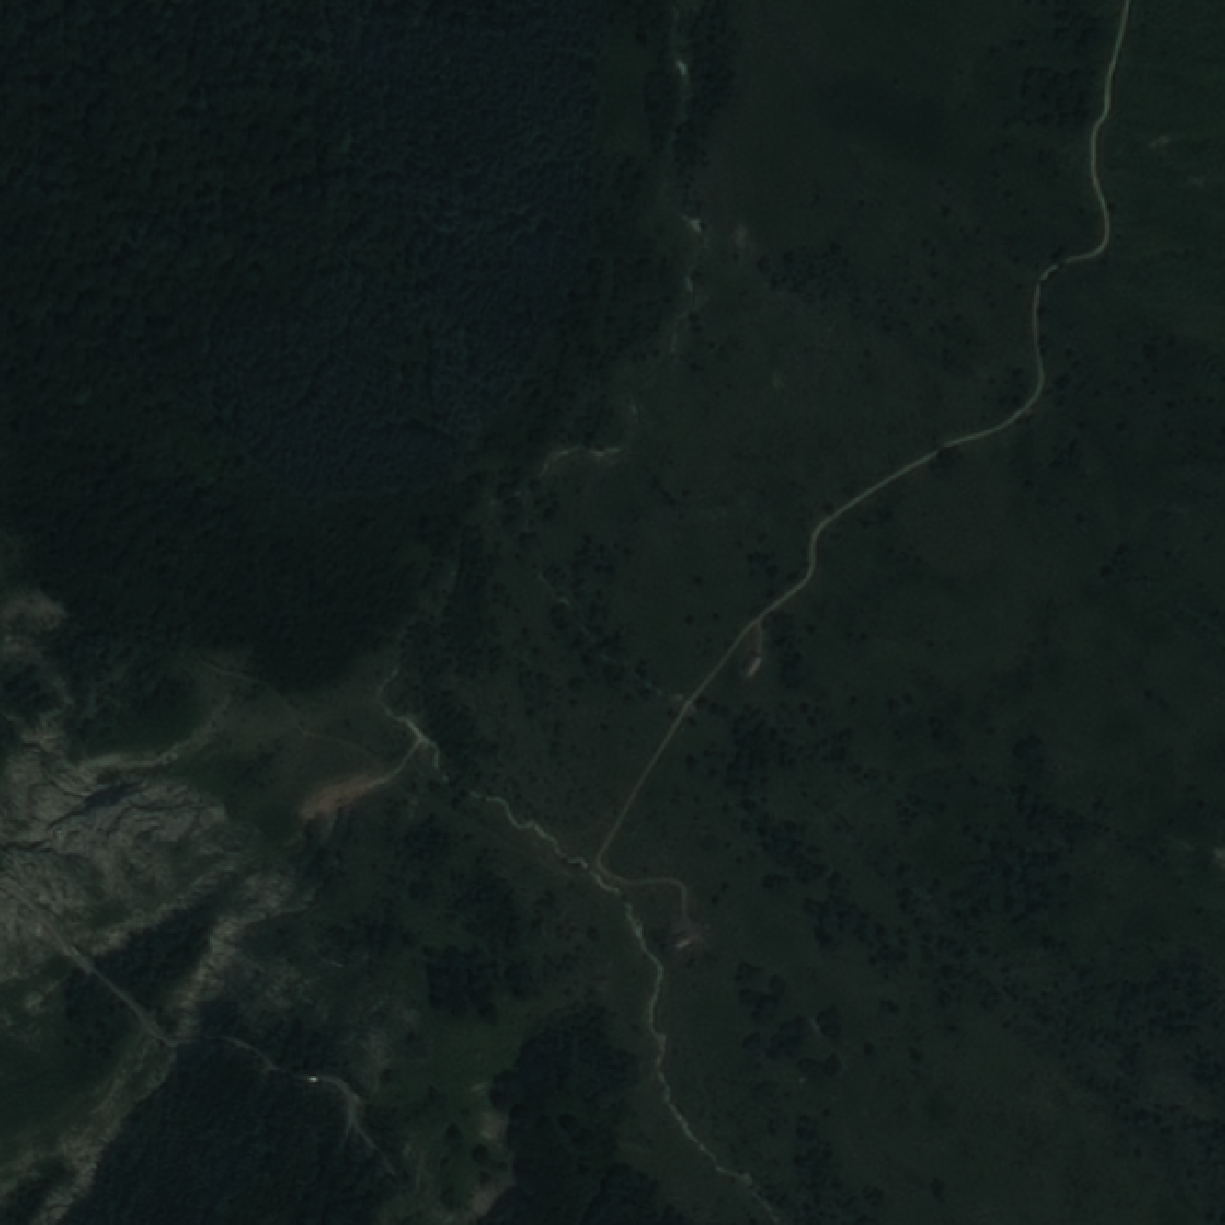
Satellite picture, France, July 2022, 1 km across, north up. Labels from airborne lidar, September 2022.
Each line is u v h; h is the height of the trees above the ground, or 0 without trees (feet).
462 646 22
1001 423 0
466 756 29
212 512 44
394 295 67
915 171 0
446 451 80
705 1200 0
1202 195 0
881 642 0
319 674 19
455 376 83
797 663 44
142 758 0
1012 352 0
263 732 0
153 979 46
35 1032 0
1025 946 0
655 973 0
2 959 0
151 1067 0
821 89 0
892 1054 0
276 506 28
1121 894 0
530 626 0
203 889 0
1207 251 0
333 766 0
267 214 61
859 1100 0
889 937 27
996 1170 0
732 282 0
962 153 0
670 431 0
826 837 0
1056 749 0
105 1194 31
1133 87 0
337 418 89
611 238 25
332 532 44
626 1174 51
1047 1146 0
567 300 35
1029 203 0
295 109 49
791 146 0
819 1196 21
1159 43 0
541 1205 92
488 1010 61
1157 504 0
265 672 18
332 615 22
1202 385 0
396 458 90
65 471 22
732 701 0
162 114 97
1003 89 0
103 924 0
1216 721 0
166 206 65
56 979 0
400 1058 0
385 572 22
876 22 0
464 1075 0
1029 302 0
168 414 65
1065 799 0
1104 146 0
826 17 0
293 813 0
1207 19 0
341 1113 17
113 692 25
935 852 0
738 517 0
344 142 105
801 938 0
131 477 26
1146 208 0
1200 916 24
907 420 0
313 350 74
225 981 0
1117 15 0
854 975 0
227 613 33
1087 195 0
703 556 0
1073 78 19
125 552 58
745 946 0
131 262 77
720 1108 0
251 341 75
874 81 0
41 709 18
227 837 0
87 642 41
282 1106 62
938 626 0
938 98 0
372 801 0
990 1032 0
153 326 89
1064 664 0
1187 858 0
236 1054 26
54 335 102
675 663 0
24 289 80
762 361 0
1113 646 0
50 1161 0
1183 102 0
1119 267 0
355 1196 70
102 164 60
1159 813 0
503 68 66
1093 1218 0
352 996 0
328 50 75
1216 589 0
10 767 0
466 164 61
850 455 0
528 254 76
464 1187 0
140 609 30
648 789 0
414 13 87
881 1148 0
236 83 97
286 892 0
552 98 90
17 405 59
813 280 31
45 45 97
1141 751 0
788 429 0
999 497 0
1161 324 0
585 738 0
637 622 0
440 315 66
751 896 0
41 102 61
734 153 0
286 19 58
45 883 0
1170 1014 28
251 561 31
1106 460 0
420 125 54
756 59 0
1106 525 0
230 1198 45
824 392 0
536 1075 73
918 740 0
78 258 82
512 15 50
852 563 0
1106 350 0
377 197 68
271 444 75
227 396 41
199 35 62
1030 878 22
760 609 0
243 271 94
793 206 0
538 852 0
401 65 73
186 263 83
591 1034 26
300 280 63
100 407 87
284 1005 0
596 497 0
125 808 0
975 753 0
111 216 84
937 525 0
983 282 0
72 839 0
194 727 0
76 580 41
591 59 22
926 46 0
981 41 0
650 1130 0
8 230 69
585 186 64
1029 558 0
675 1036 0
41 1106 0
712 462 0
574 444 19
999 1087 0
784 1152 0
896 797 0
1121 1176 0
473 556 20
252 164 90
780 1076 0
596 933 28
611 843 0
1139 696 0
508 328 84
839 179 0
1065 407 25
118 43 93
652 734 0
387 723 0
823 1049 0
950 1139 0
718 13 22
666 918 0
